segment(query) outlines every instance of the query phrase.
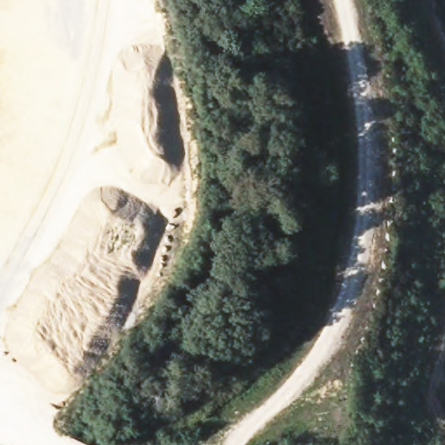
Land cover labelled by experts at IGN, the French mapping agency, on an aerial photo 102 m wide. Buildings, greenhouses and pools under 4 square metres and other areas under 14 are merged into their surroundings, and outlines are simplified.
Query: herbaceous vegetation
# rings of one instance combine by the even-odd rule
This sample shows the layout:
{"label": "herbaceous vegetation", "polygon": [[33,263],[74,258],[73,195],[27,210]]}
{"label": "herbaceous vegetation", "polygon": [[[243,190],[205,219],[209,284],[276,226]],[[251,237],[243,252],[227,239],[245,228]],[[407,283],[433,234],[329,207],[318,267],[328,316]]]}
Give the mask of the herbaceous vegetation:
{"label": "herbaceous vegetation", "polygon": [[264,428],[259,429],[247,445],[269,445],[276,436],[282,435],[285,429],[292,429],[297,436],[304,431],[311,431],[322,438],[339,438],[339,445],[369,445],[369,429],[360,429],[355,424],[355,388],[362,386],[362,377],[360,372],[355,372],[355,362],[356,355],[365,348],[367,332],[374,325],[374,320],[379,320],[379,316],[382,315],[381,283],[386,275],[386,269],[372,268],[365,271],[369,275],[369,280],[365,283],[362,294],[356,299],[348,299],[344,304],[344,308],[351,309],[351,322],[342,334],[341,348],[330,356],[329,362],[323,363],[315,379],[309,384],[309,388],[316,391],[329,381],[341,381],[337,396],[325,396],[323,403],[302,402],[297,396],[294,402],[282,408],[271,421],[266,422]]}
{"label": "herbaceous vegetation", "polygon": [[372,57],[379,63],[388,54],[382,50],[381,35],[377,26],[372,24],[374,19],[379,17],[379,12],[370,7],[369,0],[353,0],[358,17],[360,42],[374,45]]}
{"label": "herbaceous vegetation", "polygon": [[130,358],[130,329],[118,334],[116,353],[122,358]]}
{"label": "herbaceous vegetation", "polygon": [[358,236],[355,235],[355,219],[360,207],[356,203],[358,129],[355,99],[351,92],[348,54],[342,42],[330,43],[325,37],[323,26],[320,24],[323,3],[320,0],[299,0],[297,12],[301,14],[302,35],[306,38],[315,37],[316,43],[302,45],[301,49],[297,50],[282,50],[276,54],[280,59],[289,59],[294,71],[301,75],[296,85],[304,90],[306,97],[301,103],[294,101],[292,104],[297,110],[302,111],[299,118],[302,141],[309,149],[320,149],[325,155],[335,156],[337,179],[330,186],[315,186],[309,191],[318,195],[320,209],[325,217],[322,221],[306,219],[301,226],[297,224],[290,242],[289,261],[278,264],[282,268],[282,273],[280,287],[271,294],[269,302],[271,322],[266,325],[269,332],[268,348],[262,349],[261,355],[254,353],[254,360],[249,365],[235,365],[235,369],[229,370],[233,377],[250,384],[250,389],[243,395],[236,396],[235,402],[231,402],[231,408],[224,408],[222,421],[229,426],[238,424],[245,415],[261,407],[283,382],[289,379],[297,365],[301,365],[304,356],[313,348],[316,337],[322,332],[323,327],[332,323],[332,308],[339,296],[342,283],[342,276],[337,273],[349,268],[349,259],[353,257],[351,245],[358,240]]}
{"label": "herbaceous vegetation", "polygon": [[113,362],[113,355],[108,351],[101,358],[97,369],[90,370],[89,384],[96,384],[99,369]]}
{"label": "herbaceous vegetation", "polygon": [[170,59],[172,80],[179,78],[188,63],[184,54],[186,42],[176,24],[174,3],[169,0],[163,0],[163,54]]}

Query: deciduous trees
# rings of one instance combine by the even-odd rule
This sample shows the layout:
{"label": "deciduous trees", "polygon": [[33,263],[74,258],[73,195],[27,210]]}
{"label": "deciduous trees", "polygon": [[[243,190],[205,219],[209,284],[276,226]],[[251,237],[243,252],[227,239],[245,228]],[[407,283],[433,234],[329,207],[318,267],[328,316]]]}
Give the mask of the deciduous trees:
{"label": "deciduous trees", "polygon": [[113,362],[99,369],[96,384],[89,384],[87,388],[76,389],[66,414],[56,414],[64,421],[68,431],[64,436],[70,436],[83,445],[200,445],[229,426],[222,421],[224,408],[231,408],[231,402],[235,402],[236,396],[243,395],[250,389],[250,384],[233,377],[229,370],[235,369],[235,365],[249,365],[254,360],[254,353],[261,355],[262,349],[268,348],[269,332],[266,325],[271,322],[269,302],[271,294],[280,287],[282,273],[282,268],[278,264],[289,261],[290,242],[297,224],[301,226],[306,219],[322,221],[325,217],[320,209],[318,195],[309,191],[315,186],[330,186],[337,179],[335,156],[325,155],[320,149],[309,149],[302,141],[299,118],[302,111],[297,110],[292,104],[294,101],[301,103],[306,97],[304,90],[296,85],[301,75],[294,71],[289,59],[280,59],[276,54],[282,50],[297,50],[301,49],[302,45],[316,43],[315,37],[306,38],[302,35],[301,14],[297,12],[299,0],[169,0],[174,3],[176,24],[186,42],[184,54],[188,63],[179,78],[191,103],[188,115],[193,118],[193,125],[189,132],[198,143],[198,151],[205,156],[205,183],[198,184],[195,191],[195,226],[191,231],[191,243],[184,249],[183,261],[177,262],[172,282],[163,289],[165,296],[153,306],[149,306],[143,320],[130,329],[130,358],[122,358],[116,353],[113,355]]}

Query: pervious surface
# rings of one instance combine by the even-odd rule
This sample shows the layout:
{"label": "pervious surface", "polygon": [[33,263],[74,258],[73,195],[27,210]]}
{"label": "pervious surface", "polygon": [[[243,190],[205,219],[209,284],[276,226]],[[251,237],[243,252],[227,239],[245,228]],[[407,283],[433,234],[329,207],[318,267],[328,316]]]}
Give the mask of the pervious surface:
{"label": "pervious surface", "polygon": [[370,101],[372,97],[384,96],[384,82],[379,71],[379,63],[372,57],[374,45],[360,42],[358,17],[353,0],[320,0],[323,3],[320,24],[323,26],[325,37],[330,43],[342,42],[348,54],[351,92],[355,99],[358,129],[356,203],[360,207],[355,219],[355,235],[358,236],[358,240],[351,245],[353,257],[349,259],[349,268],[337,273],[342,276],[342,283],[339,296],[332,308],[332,323],[323,327],[322,332],[316,337],[313,348],[304,356],[301,365],[297,365],[289,379],[283,382],[261,407],[245,415],[238,424],[229,426],[200,445],[247,445],[259,429],[264,428],[266,422],[271,421],[282,408],[294,402],[297,396],[302,402],[323,403],[325,396],[337,396],[341,381],[329,381],[316,391],[309,388],[309,384],[315,379],[323,363],[329,362],[330,356],[341,348],[342,334],[351,322],[351,309],[344,308],[344,304],[348,299],[356,299],[362,294],[365,283],[369,280],[369,275],[365,271],[372,268],[386,269],[395,264],[398,252],[398,240],[395,236],[389,235],[391,224],[395,226],[400,219],[407,219],[407,214],[403,214],[402,198],[388,196],[381,202],[375,202],[372,198],[375,172],[381,170],[377,163],[379,146],[369,134],[372,127],[370,122],[374,120]]}
{"label": "pervious surface", "polygon": [[424,0],[428,7],[426,16],[435,24],[438,54],[445,59],[445,0]]}
{"label": "pervious surface", "polygon": [[428,388],[428,410],[438,419],[440,428],[445,429],[445,327],[442,342],[438,346],[435,372],[429,379]]}
{"label": "pervious surface", "polygon": [[170,59],[163,54],[163,0],[0,0],[0,445],[83,445],[70,436],[64,436],[68,431],[64,421],[56,414],[66,414],[76,389],[87,388],[89,384],[90,370],[97,369],[101,358],[108,351],[113,355],[116,353],[118,334],[130,329],[143,320],[149,306],[153,306],[165,296],[163,289],[172,282],[177,262],[183,261],[184,249],[191,243],[191,231],[195,226],[195,191],[198,184],[205,183],[205,156],[198,151],[198,143],[189,132],[193,125],[193,118],[188,115],[191,103],[179,78],[172,80]]}

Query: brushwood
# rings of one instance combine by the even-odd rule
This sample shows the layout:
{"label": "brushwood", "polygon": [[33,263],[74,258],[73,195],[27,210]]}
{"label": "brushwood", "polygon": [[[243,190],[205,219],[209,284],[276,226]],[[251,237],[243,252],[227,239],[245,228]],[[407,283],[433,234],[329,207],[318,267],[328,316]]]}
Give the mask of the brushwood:
{"label": "brushwood", "polygon": [[445,445],[445,429],[440,428],[438,419],[428,410],[428,388],[429,379],[435,372],[438,346],[442,342],[445,327],[445,59],[438,54],[435,24],[426,16],[428,7],[424,0],[369,0],[370,7],[379,12],[379,17],[374,19],[372,24],[377,26],[381,35],[382,50],[388,54],[379,63],[379,71],[384,82],[384,96],[372,97],[370,101],[374,120],[370,122],[372,127],[369,134],[379,146],[377,163],[381,170],[375,172],[372,198],[375,202],[381,202],[388,196],[402,198],[403,214],[407,214],[407,219],[400,219],[395,226],[391,224],[389,235],[395,236],[398,240],[398,252],[395,264],[386,269],[386,275],[381,283],[382,315],[379,316],[379,320],[374,320],[374,325],[367,332],[365,348],[356,355],[355,362],[355,372],[360,372],[362,377],[362,386],[355,388],[355,424],[360,429],[369,429],[369,445]]}
{"label": "brushwood", "polygon": [[304,431],[297,436],[292,429],[285,429],[282,435],[276,436],[269,445],[339,445],[339,438],[322,438],[311,431]]}

